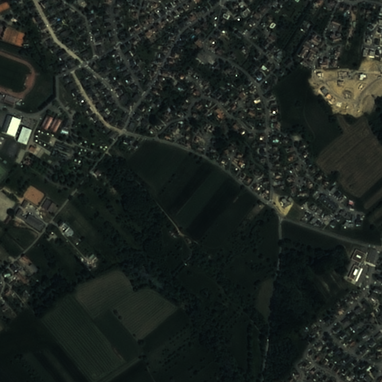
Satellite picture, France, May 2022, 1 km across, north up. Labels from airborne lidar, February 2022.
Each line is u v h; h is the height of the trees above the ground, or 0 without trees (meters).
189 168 0
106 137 0
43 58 6
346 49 0
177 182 0
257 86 0
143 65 0
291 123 0
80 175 13
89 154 9
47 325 0
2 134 0
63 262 0
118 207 0
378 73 0
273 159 7
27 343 0
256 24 0
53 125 0
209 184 0
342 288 0
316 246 0
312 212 0
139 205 26
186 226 0
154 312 0
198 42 0
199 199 0
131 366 0
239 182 0
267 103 0
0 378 0
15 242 0
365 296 0
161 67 0
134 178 6
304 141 0
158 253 15
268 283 0
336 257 21
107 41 0
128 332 0
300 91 0
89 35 0
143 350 0
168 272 9
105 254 0
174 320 0
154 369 0
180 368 0
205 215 0
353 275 0
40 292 16
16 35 0
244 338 0
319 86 0
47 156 0
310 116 0
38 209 0
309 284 21
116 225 0
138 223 12
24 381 0
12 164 0
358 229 0
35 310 11
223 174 0
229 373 26
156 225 16
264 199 0
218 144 14
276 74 10
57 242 10
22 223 0
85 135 0
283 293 24
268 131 0
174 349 0
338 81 0
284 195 0
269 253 0
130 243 0
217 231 0
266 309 0
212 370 0
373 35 0
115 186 13
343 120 0
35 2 0
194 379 0
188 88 12
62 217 0
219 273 11
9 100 0
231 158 0
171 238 0
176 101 14
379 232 0
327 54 0
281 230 0
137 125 0
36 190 0
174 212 0
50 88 0
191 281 0
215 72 12
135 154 0
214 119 7
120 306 0
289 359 18
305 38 8
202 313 24
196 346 0
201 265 12
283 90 0
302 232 0
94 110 0
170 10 0
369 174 0
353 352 0
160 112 10
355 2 0
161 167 0
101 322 0
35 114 0
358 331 0
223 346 23
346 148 0
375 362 0
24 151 0
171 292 18
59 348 0
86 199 13
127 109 0
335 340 0
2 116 0
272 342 18
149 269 22
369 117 0
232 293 8
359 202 0
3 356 0
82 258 0
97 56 0
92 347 0
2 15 0
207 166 0
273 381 9
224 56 0
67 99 0
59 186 0
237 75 0
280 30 12
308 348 0
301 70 0
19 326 0
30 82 0
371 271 0
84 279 10
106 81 0
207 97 0
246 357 0
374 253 0
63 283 28
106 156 10
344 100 0
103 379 0
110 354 0
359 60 0
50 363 0
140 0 0
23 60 0
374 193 0
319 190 0
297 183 0
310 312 19
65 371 0
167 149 0
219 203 0
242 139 14
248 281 0
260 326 8
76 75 0
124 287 0
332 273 0
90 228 0
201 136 0
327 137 0
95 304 0
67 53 0
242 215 0
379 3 0
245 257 0
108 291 0
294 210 0
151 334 0
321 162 0
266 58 11
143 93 0
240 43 0
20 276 0
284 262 16
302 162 0
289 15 0
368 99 0
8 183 12
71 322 0
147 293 0
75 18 0
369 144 0
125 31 10
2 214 0
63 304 0
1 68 0
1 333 0
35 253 0
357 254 0
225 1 0
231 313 0
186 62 6
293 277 23
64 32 0
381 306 9
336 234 0
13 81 0
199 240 0
